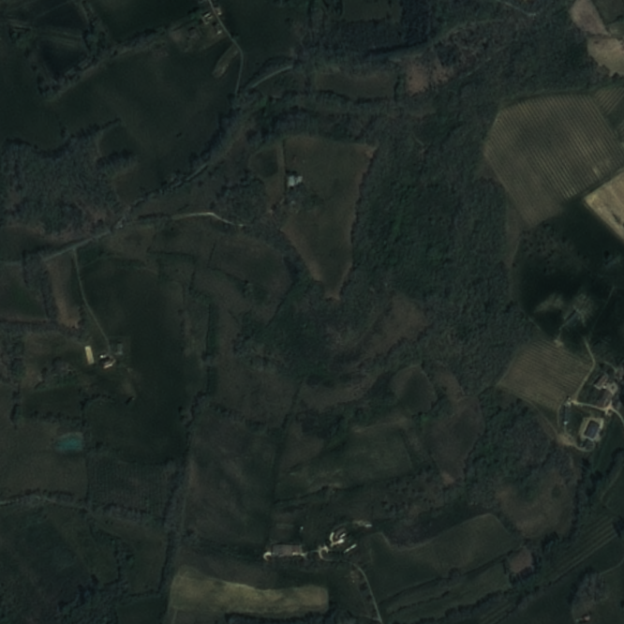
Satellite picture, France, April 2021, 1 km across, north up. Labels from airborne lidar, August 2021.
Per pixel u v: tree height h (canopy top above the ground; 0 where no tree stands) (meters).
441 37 16
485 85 12
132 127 0
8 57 0
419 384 0
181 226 0
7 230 0
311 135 13
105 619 13
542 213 0
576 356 0
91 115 0
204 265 0
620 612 0
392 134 14
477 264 20
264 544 0
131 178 0
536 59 16
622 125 0
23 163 23
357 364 0
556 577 0
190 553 0
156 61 0
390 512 11
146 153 0
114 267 0
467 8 17
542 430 26
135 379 0
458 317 18
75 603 10
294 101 15
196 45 0
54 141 0
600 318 0
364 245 16
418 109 12
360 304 12
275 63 8
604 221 0
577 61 7
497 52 12
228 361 0
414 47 13
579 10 0
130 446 0
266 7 0
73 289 0
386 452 0
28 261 14
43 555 0
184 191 0
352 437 0
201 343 0
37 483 0
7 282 0
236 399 0
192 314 0
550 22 18
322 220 0
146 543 0
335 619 14
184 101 0
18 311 0
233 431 0
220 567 0
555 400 0
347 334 10
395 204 13
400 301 0
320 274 0
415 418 7
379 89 0
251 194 17
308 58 19
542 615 0
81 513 8
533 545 14
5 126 0
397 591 0
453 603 0
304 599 0
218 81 0
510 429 13
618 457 15
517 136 0
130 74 0
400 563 0
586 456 0
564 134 0
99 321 0
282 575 0
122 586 10
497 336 16
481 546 0
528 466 6
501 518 13
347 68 15
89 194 17
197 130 0
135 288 0
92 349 0
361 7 0
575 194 0
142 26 0
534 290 0
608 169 0
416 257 8
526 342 16
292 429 0
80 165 23
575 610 11
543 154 0
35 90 0
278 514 0
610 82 20
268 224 20
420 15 9
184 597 0
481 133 20
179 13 0
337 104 19
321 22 10
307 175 0
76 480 0
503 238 23
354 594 0
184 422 14
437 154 14
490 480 23
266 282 0
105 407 0
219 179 0
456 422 0
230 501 0
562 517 0
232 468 0
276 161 0
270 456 0
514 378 0
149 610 0
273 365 14
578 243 0
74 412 0
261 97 16
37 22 0
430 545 0
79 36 0
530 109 0
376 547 0
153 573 0
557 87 26
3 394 0
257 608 0
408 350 22
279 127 20
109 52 12
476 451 10
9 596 8
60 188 22
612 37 0
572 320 0
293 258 17
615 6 0
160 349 0
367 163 0
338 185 0
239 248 0
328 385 0
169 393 0
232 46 0
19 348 13
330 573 0
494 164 0
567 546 12
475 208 20
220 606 0
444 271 10
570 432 0
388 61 13
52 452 0
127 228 12
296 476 0
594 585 18
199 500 0
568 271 0
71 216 10
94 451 13
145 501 8
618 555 0
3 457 0
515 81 15
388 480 0
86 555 0
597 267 0
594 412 0
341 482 0
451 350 17
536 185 0
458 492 18
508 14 8
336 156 0
